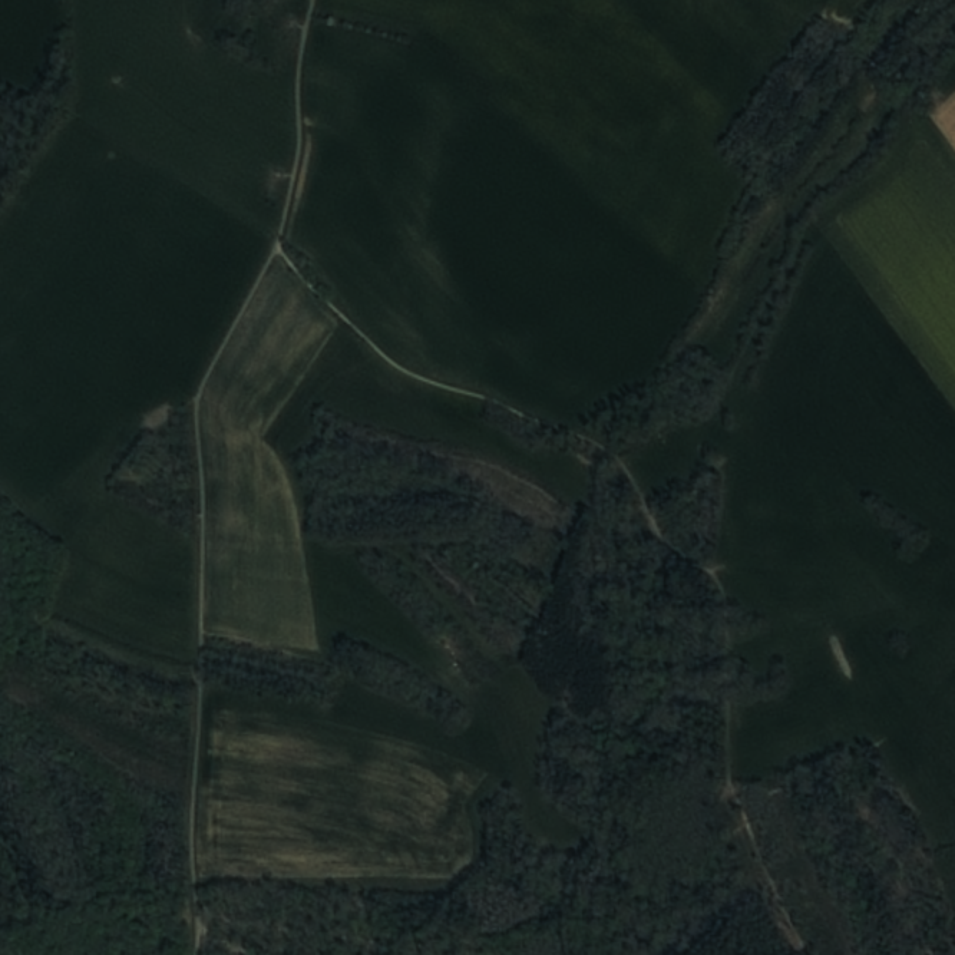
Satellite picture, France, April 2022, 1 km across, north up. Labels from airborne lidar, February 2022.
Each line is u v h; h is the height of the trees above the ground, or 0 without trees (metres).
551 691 15
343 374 0
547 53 0
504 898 17
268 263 0
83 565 0
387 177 0
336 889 18
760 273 0
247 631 0
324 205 0
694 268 0
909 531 19
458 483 17
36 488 0
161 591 0
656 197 0
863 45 19
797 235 23
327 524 22
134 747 0
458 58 0
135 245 0
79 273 0
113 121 0
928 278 0
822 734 0
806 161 19
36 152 11
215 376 0
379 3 0
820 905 0
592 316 0
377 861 0
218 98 0
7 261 0
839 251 0
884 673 0
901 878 28
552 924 23
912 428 0
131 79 0
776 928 27
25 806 21
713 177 0
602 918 26
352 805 0
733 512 0
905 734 0
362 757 0
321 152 0
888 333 0
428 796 0
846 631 0
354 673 18
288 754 0
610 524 24
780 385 0
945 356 0
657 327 0
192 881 0
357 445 18
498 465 0
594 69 0
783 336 0
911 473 0
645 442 24
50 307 0
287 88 0
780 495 0
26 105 19
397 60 0
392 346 0
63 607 0
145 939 25
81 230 0
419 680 20
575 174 0
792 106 18
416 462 26
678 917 16
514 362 0
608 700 20
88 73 0
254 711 0
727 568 0
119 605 0
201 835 0
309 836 0
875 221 0
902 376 0
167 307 0
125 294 0
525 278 0
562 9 0
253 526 0
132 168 0
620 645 16
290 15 0
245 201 0
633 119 0
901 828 21
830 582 0
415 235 0
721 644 26
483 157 0
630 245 0
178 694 20
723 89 0
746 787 8
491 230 0
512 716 0
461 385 0
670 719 23
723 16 0
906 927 27
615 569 8
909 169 0
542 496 0
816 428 0
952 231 0
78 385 0
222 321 0
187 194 0
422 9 0
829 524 0
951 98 0
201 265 0
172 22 0
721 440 0
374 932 24
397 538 22
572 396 0
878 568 0
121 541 0
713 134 0
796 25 0
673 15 0
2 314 0
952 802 0
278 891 23
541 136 0
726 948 26
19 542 22
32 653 21
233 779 0
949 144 0
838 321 0
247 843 0
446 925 29
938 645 0
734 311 0
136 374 0
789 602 0
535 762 0
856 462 0
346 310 0
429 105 0
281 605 0
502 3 0
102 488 0
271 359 0
